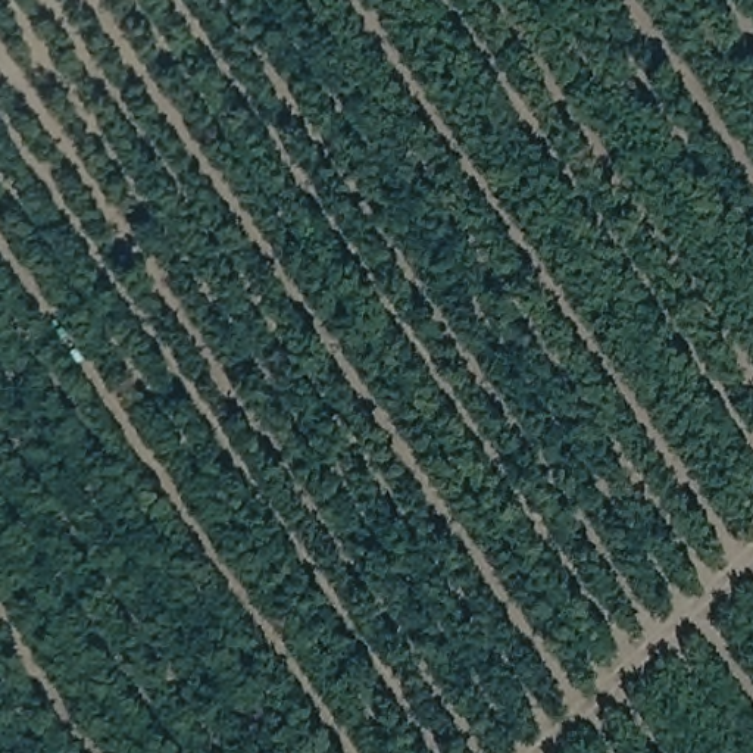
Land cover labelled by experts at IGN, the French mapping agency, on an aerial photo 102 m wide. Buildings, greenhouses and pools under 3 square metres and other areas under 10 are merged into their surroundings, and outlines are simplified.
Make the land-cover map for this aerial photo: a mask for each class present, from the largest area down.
<instances>
[{"label":"deciduous trees","instance_id":"1","mask_svg":"<svg viewBox=\"0 0 753 753\"><path fill-rule=\"evenodd\" d=\"M26 9L38 38L50 50L53 65L50 71H44L32 62L29 47L6 0H0V38L15 65L41 94L47 109L74 138L88 171L100 179L109 203H115L129 221V235H118V229L97 209L88 185H82L76 168L65 159V153L56 147L38 115L26 106L24 94L12 88L9 79L0 74V232L6 235L15 256L32 271L44 297L56 306V312L50 315L38 312L32 294L21 285L15 271L0 256V753H344L338 732L321 721L312 697L303 694L300 682L291 677L285 656H279L268 644L265 632L253 624V618L241 609L238 597L229 591L224 574L215 568V562L206 559L197 532L185 527L176 515L174 503L159 485V477L126 444L121 424L106 409L82 368L71 359V347L59 341L62 329H68L82 356H88L97 365L106 385L129 412V421L135 424L141 441L156 453L159 462L168 465L185 506L209 529L215 550L224 553L226 565L238 574L253 603L274 621L285 647L309 674L312 685L321 691L332 715L350 729V738L359 747V753H515V744H532L538 732L532 709L541 706L553 718L565 709L562 691L547 665L541 662L538 650L532 647V641L509 621L506 606L485 585L465 544L450 532L447 518H441L424 500L418 479L397 459L391 438L374 418L377 409H385L391 415L403 438L409 441L415 459L424 465L432 485L438 488V494L468 527L471 538L485 550L491 568L497 571L506 591L515 597V603L524 609L532 629L544 635V641L559 656L562 668L568 671V679L582 691V697L594 703L603 691L594 682L591 665H606L615 656V638L609 627L621 624L632 638H638L641 624L635 615L650 609L656 618H668L671 585H677L688 597L700 594L697 568L709 565L712 571H718L724 565L721 544L694 491L677 482L674 471L665 465L662 453L647 438L644 427L635 421L627 400L618 394L600 356L585 347V341L577 332V324L562 315L556 294L538 282V271L529 262V253L509 238L506 224L485 203L479 185L462 171L459 153L450 150L444 135L435 132L429 115L421 109L418 97L409 94L403 76L388 65L379 38L365 29V21L353 12L350 0H185L194 18L209 32V41L200 44L182 21V15H176L171 0H103L106 9L118 18L138 59L156 76L159 88L182 112L185 126L209 153V162L224 174L232 191L241 197V206L253 215L262 235L274 244L271 256H265L247 238L241 221L215 191L212 179L200 174L197 159L185 153L176 129L156 109L135 71L124 65L118 47L103 32L94 9L85 0H62L65 12L79 26L88 44V53L103 65V76L94 79L76 59L62 24L38 0H18ZM271 62L288 79V88L300 103V115H291L288 106L276 97L274 85L268 82L262 68ZM62 74L74 76V82L79 85L82 103L91 106V112L97 115V132H88L85 124L76 118L68 91L59 82ZM15 126L21 138L29 144V150L50 165L65 200L76 209L82 226L97 238L100 253L118 268L124 285L150 312L156 326L153 335L141 329V318H135L126 309L124 297L109 285L106 274H100V265L91 262L88 244L53 206L47 185L18 156L12 138L6 135ZM268 126H279L288 153L309 174L318 191L306 194L294 182L291 171L274 150ZM147 259H156L165 268L168 285L185 303L191 321L209 338V347L221 359L229 382L241 391L268 394V400H253L250 409L259 412L262 424H268L274 432H288L279 450L271 444L268 435L250 429L247 415L235 400L218 391L200 350L179 326L176 315L168 309L162 294L153 291V279L144 268ZM279 259L288 276L303 291V297H309L312 309L326 318V329L338 338L344 356L368 382V397H359L350 388L341 368L315 335L312 315L282 291L279 279L274 276V262ZM406 321L418 329L424 344L432 350L435 365L453 379V391L462 394L465 406L479 421L477 432H471L462 424L453 400L429 379L424 359L415 353V347L400 329ZM456 344H468L474 350L477 362L497 385L494 394L477 385L465 359L456 356ZM162 347H174L179 368L197 382L200 394L218 412L229 441L253 468L259 479L256 485L247 482V477L232 465L229 453L215 441L209 421L197 412L182 382L174 379V374H168ZM574 509H582L594 521L597 532L612 550V559L597 556L585 529L574 521ZM288 532H300L309 553L321 559V568L341 594L344 606L350 609L353 624L344 627V621L326 603L321 585L315 582V568L297 559ZM12 629L24 632V641L29 644L35 662L59 688L68 706L65 721H59L41 682L24 671L12 644ZM371 653H379L382 662L400 677L409 706H397L394 691L374 671ZM368 9L377 12L379 24L391 35V44L412 68L418 82L427 88V97L438 106L453 135L465 144L471 162L491 179V185L497 188V200L515 215L521 232L538 247L550 276L565 285L571 306L588 321L594 338L609 350L612 362L621 368L635 397L650 412L653 424L665 432L668 444L685 462L688 474L700 479L706 497L715 503L718 515L724 518L732 535L741 541L753 538V450L744 441L741 429L729 421L721 394L712 388V382L718 377L724 379L735 409L747 418V424H753V185L744 168L732 159L729 147L721 141V135L709 126L706 112L685 91L682 76L671 68V62L662 53V44L635 29L624 0H362ZM532 53L547 59L550 71L556 74V82L562 85V100H550ZM503 71L509 74L518 94L538 115L541 126L547 129L544 138H538L529 129V124H524L512 109L509 97L497 82V74ZM585 129L600 132L606 150H618L612 174H621L624 185L603 182L600 156L591 153L582 135ZM650 21L671 38L677 53L691 65L700 85L715 100L729 132L741 138L744 150L753 156V0H641ZM724 632L727 647L738 659V665L753 677V582L741 585L738 603L724 609L721 621L715 624ZM685 659H662L656 677L641 682L638 694H624V700L632 709V721L621 712L603 715V727L615 729V741H577L562 753H753V703L718 653L715 644L706 641V635L697 629L682 650Z\"/></svg>","mask_w":753,"mask_h":753},{"label":"herbaceous vegetation","instance_id":"2","mask_svg":"<svg viewBox=\"0 0 753 753\"><path fill-rule=\"evenodd\" d=\"M29 47L32 62L44 71H50L53 65L50 50L38 38L26 9L18 0H6ZM62 24L76 59L94 79L103 76V65L88 53V44L79 26L65 12L62 0H38ZM94 9L103 32L118 47L124 65L135 71L156 109L176 129L185 153L197 159L200 174L212 179L215 191L241 221L247 238L265 256H271L274 244L262 235L253 215L241 206V197L232 191L224 174L209 162V153L185 126L182 112L159 88L156 76L138 59L118 18L106 9L103 0H85ZM176 15H182V21L200 44L209 41V32L194 18L185 0H171ZM353 12L365 21V29L379 38L388 65L403 76L409 94L418 97L421 109L429 115L435 132L444 135L450 150L459 153L462 171L479 185L485 203L506 224L509 238L529 253V262L538 271V282L556 294L562 315L577 324V332L585 341V347L600 356L618 394L627 400L635 421L644 427L647 438L662 453L665 465L674 471L677 482L694 491L721 544L732 535L724 518L718 515L715 503L706 497L700 479L688 474L685 462L668 444L665 432L653 424L650 412L635 397L621 368L612 362L609 350L594 338L588 321L571 306L565 285L550 276L538 247L521 232L515 215L497 200V188L491 185V179L471 162L465 144L453 135L438 106L427 97V88L418 82L412 68L391 44V35L379 24L377 12L368 9L362 0H350ZM635 29L662 44V53L671 62V68L682 76L685 91L706 112L709 126L721 135V141L729 147L732 159L744 168L753 185V156L744 150L741 138L729 132L715 100L700 85L691 65L677 53L671 38L650 21L641 0H624ZM0 74L9 79L12 88L24 94L26 106L38 115L56 147L65 153V159L76 168L82 185H88L97 209L118 229V235H129V221L115 203H109L100 179L88 171L74 138L47 109L41 94L15 65L0 38ZM550 100H562V85L556 82V74L550 71L547 59L532 53ZM268 82L274 85L276 97L288 106L291 115H300V103L288 88V79L271 62L262 68ZM497 82L509 97L512 109L524 124H529V129L538 138H544L547 129L541 126L538 115L518 94L509 74L503 71L497 74ZM59 82L68 91L76 118L85 124L88 132H97V115L91 112V106L82 103L79 85L74 82V76L62 74ZM6 135L12 138L18 156L47 185L53 206L88 244L91 262L100 265V274H106L109 285L124 297L126 309L135 318H141V329L153 335L156 326L150 312L124 285L118 268L100 253L97 238L82 226L76 209L65 200L50 165L29 150V144L21 138L15 126ZM274 150L291 171L294 182L306 194L318 191L309 174L288 153L279 126H268ZM582 135L591 153L600 156L603 182L624 185L621 174H612L618 150H606L600 132L585 129ZM0 256L15 271L21 285L32 294L38 312L50 315L56 312V306L44 297L32 271L15 256L6 235L0 232ZM144 268L153 279V291L162 294L168 309L176 315L179 326L200 350L218 391L235 400L247 415L250 429L268 435L271 444L279 450L288 432H274L268 424H262L259 412L250 409L253 400H268V394L241 391L229 382L221 359L209 347V338L191 321L185 303L168 285L165 268L156 259H147ZM274 276L279 279L282 291L312 315L315 335L341 368L350 388L359 397H368V382L344 356L338 338L326 329V318L312 309L309 297H303V291L288 276L279 259L274 262ZM400 329L415 347V353L424 359L429 379L453 400L462 424L471 432H477L479 421L465 406L462 394L453 391V379L435 365L432 350L424 344L418 329L406 321ZM59 341L71 347V359L82 368L106 409L121 424L126 444L159 477V485L174 503L176 515L185 527L197 532L206 559L215 562V568L224 574L229 591L238 597L241 609L253 618V624L265 632L268 644L279 656H285L291 677L300 682L303 694L312 697L321 721L338 732L344 753H359V747L350 738V729L332 715L321 691L312 685L309 674L285 647L274 621L253 603L238 574L226 565L224 553L215 550L209 529L185 506L168 465L159 462L156 453L141 441L135 424L129 421V412L106 385L97 365L88 356H82L68 329H62ZM456 356L465 359L477 385L494 394L497 385L477 362L474 350L468 344H456ZM168 374H174V379L182 382L197 412L209 421L215 441L229 453L232 465L247 477V482L256 485L259 479L253 468L229 441L218 412L200 394L197 382L179 368L174 347H162ZM712 388L721 394L729 421L741 429L744 441L753 450V424H747V418L735 409L724 379L718 377L712 382ZM374 418L391 438L397 459L418 479L424 500L441 518H447L450 532L465 544L485 585L506 606L509 621L532 641V647L538 650L541 662L547 665L562 691L565 709L574 721H565L559 735L544 741L541 753H562L577 741H615V729L603 727V715L621 712L632 721V709L624 700H615L603 691L594 703L582 697V691L568 679V671L562 668L559 656L544 641V635L532 629L524 609L515 603V597L506 591L497 571L491 568L485 550L471 538L468 527L438 494V488L432 485L424 465L415 459L409 441L403 438L391 415L385 409H377ZM574 521L585 529L597 556L612 559V550L597 532L594 521L582 509H574ZM297 559L315 568V582L321 585L326 603L344 621V627L353 624L350 609L344 606L341 594L321 568V559L309 553L300 532H288ZM12 644L24 671L41 682L59 721H65L68 706L59 688L35 662L29 644L24 641V632L12 629ZM753 703V677L738 665V659L727 647L718 653ZM374 671L394 691L397 706H409L400 677L382 662L379 653H371Z\"/></svg>","mask_w":753,"mask_h":753},{"label":"pervious surface","instance_id":"3","mask_svg":"<svg viewBox=\"0 0 753 753\"><path fill-rule=\"evenodd\" d=\"M724 565L718 571H712L709 565L697 568L700 594L688 597L677 585H671L668 618H656L650 609L635 615L641 624L638 638H632L621 624L609 627L615 638V656L606 665H591L594 682L603 691L615 700H624V694H638L641 682L656 677L662 659H685L682 650L697 629L706 635V641L715 644L718 653L727 647L724 632L715 624L721 621L724 609L738 603L741 585L753 582V538L741 541L732 535L721 544ZM538 732L532 744H515V753H541L544 741L559 735L565 721H574L565 709L553 718L541 706L532 709Z\"/></svg>","mask_w":753,"mask_h":753}]
</instances>
